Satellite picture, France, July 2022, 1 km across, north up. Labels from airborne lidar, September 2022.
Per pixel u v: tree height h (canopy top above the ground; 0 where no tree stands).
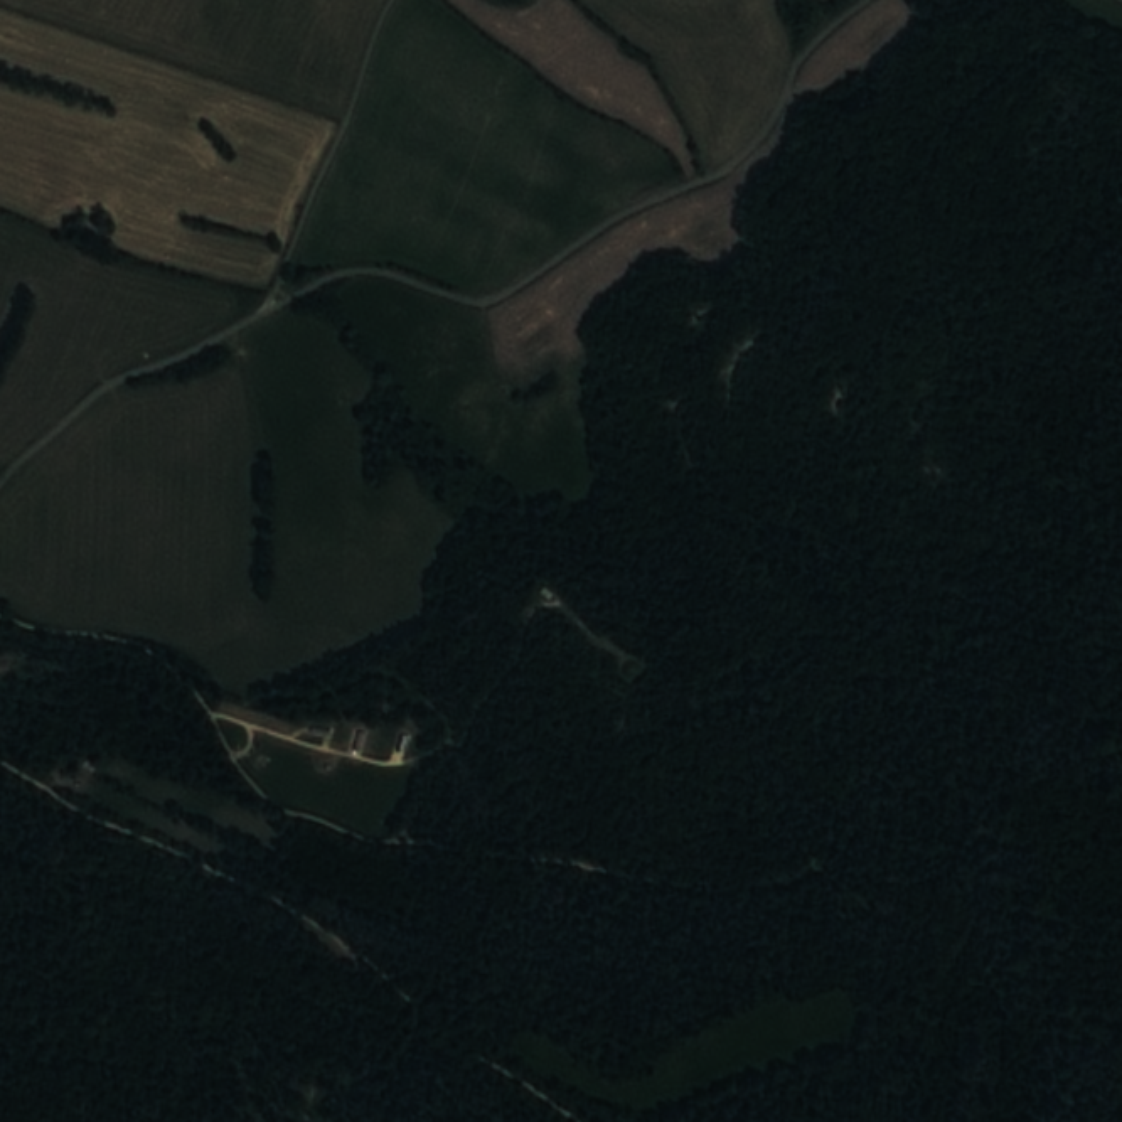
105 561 0
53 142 0
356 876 11
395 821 12
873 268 13
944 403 15
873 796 20
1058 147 11
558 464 0
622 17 0
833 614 21
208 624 0
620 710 7
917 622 14
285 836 16
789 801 11
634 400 11
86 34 0
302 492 0
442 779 6
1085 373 8
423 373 0
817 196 14
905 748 8
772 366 12
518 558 11
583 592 15
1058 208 12
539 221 0
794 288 14
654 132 0
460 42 0
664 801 10
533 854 13
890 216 12
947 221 16
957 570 12
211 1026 13
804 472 11
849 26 0
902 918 16
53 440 0
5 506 0
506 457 0
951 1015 15
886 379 10
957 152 13
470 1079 15
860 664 13
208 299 0
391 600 0
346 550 0
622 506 11
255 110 0
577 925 14
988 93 12
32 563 0
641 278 12
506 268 0
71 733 15
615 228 0
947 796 17
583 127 0
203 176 0
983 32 14
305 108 0
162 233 0
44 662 12
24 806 8
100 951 9
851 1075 11
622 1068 19
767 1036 0
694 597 14
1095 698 24
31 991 13
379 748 0
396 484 0
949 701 18
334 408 0
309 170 0
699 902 16
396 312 0
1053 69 13
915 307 14
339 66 0
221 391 0
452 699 18
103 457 0
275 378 0
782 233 12
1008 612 22
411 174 0
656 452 12
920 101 11
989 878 23
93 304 0
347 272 0
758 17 0
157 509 0
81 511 0
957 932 17
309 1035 17
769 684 14
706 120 0
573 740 6
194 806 0
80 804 6
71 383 0
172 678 15
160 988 14
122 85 0
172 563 0
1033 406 9
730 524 14
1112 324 13
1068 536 19
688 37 0
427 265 0
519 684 8
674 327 16
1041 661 20
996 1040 10
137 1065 10
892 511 12
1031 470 12
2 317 0
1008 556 15
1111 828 13
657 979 22
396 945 20
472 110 0
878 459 16
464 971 14
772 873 18
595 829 13
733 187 0
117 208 0
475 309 0
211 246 0
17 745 11
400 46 0
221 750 10
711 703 12
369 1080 24
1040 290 12
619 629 17
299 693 14
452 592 8
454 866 15
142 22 0
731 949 21
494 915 16
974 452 15
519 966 17
